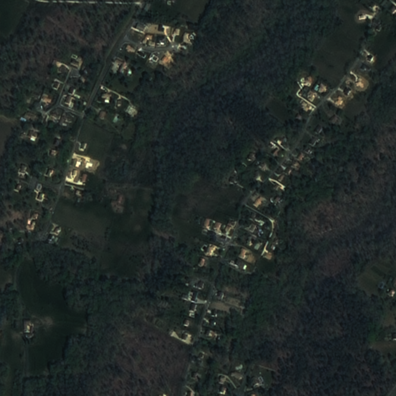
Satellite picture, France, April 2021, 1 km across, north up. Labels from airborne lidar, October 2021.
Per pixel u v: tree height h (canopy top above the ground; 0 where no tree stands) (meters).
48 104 5
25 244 0
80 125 0
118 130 7
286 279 21
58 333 0
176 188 26
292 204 20
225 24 23
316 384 6
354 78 13
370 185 19
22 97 17
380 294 13
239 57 16
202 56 14
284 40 25
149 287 22
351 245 21
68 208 0
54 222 0
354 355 23
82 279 21
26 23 16
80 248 7
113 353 17
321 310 6
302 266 6
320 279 14
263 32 27
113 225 0
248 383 14
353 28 0
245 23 20
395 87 24
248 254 0
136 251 0
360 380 8
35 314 0
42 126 16
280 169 10
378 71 0
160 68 0
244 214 8
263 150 14
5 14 0
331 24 18
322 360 21
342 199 15
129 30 0
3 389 24
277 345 10
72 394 27
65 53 18
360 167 27
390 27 8
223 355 27
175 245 23
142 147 17
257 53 17
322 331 26
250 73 19
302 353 16
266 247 0
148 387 18
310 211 19
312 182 19
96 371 23
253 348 20
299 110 17
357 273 14
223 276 15
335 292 25
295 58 26
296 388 17
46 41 16
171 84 29
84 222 0
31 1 16
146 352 0
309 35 22
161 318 7
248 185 11
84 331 0
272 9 25
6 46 14
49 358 0
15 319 16
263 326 23
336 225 19
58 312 0
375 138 24
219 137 18
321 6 30
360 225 23
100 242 0
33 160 23
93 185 0
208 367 11
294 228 21
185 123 16
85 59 24
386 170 12
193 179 25
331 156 20
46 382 17
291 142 17
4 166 18
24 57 11
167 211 17
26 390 18
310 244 14
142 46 0
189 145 19
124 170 10
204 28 19
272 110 0
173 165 25
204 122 15
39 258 22
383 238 22
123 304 25
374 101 21
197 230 0
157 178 27
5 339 0
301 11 29
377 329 25
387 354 0
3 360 0
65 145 19
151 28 0
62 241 0
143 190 0
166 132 19
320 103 0
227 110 21
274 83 26
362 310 28
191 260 25
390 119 23
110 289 19
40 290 0
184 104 21
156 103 17
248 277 12
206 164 25
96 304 27
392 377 12
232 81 16
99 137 0
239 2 21
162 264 27
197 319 12
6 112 21
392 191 12
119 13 26
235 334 24
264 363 24
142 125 21
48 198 8
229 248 7
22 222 11
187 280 8
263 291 26
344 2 0
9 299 25
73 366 31
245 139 26
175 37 0
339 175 19
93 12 22
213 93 13
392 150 22
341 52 0
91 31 12
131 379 8
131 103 17
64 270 27
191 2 0
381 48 0
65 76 6
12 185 11
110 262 0
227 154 23
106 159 0
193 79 21
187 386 19
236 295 7
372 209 15
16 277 0
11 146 22
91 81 18
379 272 0
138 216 0
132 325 23
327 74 0
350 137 18
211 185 12
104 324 26
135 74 22
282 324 18
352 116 0
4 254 26
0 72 23
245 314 17
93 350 30
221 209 0
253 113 26
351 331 28
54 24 7
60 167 18
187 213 0
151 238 15
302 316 13
